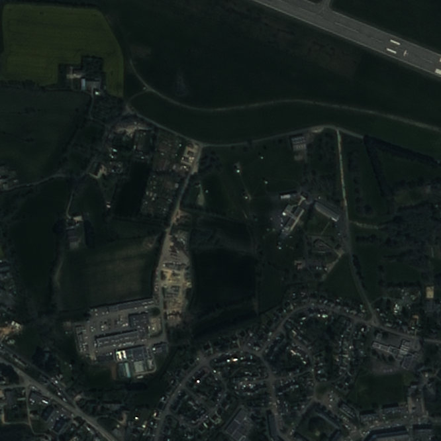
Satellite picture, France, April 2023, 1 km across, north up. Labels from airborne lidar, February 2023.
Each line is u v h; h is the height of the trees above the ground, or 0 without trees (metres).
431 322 0
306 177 11
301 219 0
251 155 0
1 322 0
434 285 19
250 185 0
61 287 0
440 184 16
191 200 0
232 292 0
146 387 13
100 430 0
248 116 0
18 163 0
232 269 0
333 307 0
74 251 0
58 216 10
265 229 0
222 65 0
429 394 12
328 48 0
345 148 0
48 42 0
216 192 0
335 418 9
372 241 13
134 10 0
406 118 0
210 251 0
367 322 0
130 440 0
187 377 0
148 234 10
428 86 0
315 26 0
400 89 0
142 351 0
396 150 16
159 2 0
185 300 0
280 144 9
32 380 0
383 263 0
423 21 0
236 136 0
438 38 0
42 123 0
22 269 0
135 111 0
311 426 15
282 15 0
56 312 8
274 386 0
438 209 0
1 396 0
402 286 14
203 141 0
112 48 0
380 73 0
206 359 0
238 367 0
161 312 0
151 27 0
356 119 0
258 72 0
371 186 0
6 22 0
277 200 0
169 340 12
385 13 0
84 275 0
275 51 0
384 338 6
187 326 12
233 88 0
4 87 12
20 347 0
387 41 0
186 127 0
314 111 0
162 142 0
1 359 0
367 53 0
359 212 14
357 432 0
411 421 0
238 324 17
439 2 0
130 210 0
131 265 0
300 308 0
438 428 0
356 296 0
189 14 0
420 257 21
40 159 0
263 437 13
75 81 0
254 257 0
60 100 0
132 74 0
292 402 0
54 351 9
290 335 0
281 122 0
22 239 0
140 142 0
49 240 0
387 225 8
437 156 0
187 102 0
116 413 8
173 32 0
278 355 13
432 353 10
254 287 0
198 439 9
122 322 0
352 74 0
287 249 0
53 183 0
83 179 10
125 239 0
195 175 10
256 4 0
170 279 0
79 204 0
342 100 0
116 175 8
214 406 0
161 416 0
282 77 0
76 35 0
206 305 0
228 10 0
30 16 0
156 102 0
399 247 21
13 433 15
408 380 0
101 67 5
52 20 0
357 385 0
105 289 0
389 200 14
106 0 0
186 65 0
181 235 0
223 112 0
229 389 9
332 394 0
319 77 0
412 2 0
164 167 0
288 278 13
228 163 0
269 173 0
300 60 0
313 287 0
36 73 0
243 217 0
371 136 0
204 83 0
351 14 0
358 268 8
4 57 0
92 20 0
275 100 0
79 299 0
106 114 6
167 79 0
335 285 0
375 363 0
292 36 0
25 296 13
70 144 7
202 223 0
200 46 0
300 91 0
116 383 0
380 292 0
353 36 0
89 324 0
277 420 0
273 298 0
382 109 0
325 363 11
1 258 0
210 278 0
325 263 0
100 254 0
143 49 0
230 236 0
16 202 12
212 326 0
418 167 0
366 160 0
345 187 0
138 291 0
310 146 7
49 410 0
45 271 0
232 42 0
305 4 0
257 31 0
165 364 0
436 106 0
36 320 13
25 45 0
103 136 13
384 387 0
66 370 0
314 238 0
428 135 0
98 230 0
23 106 0
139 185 0
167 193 0
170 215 8
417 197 0
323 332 15
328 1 0
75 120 0
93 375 0
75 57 0
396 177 0
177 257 0
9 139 0
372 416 0
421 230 13
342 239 0
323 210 0
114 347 0
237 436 0
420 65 0
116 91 0
